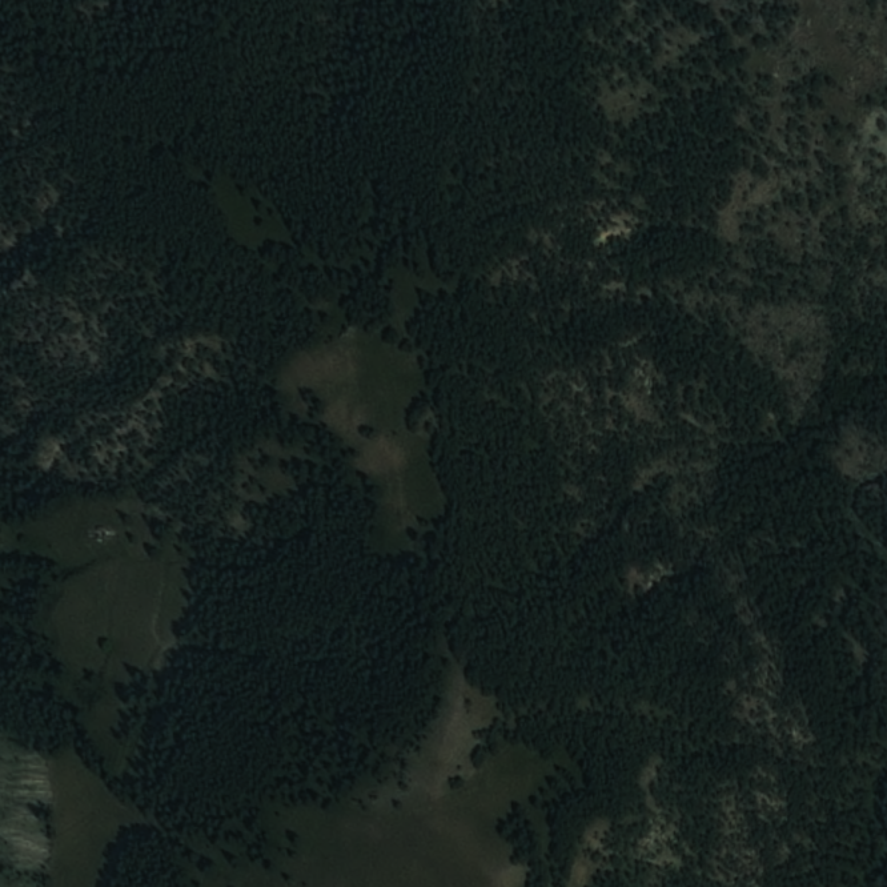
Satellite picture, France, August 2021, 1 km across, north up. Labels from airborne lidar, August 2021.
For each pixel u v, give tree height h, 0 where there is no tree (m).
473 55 16
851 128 10
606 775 32
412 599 28
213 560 23
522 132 28
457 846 0
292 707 28
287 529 29
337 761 21
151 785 25
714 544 7
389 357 0
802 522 22
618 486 20
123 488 23
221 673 34
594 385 20
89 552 0
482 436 25
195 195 29
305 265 29
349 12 35
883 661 31
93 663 0
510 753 0
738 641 8
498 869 0
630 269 19
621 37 17
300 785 10
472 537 29
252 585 29
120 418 8
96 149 33
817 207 23
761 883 26
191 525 21
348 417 0
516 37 25
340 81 27
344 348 0
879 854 26
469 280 24
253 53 26
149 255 25
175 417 34
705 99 22
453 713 0
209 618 29
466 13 12
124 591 0
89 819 0
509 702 18
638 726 22
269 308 32
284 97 31
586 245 17
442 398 29
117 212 36
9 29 21
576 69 11
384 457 0
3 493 33
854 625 25
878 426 22
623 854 17
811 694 24
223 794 32
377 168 32
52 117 27
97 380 12
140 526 0
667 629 22
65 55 22
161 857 25
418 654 28
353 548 29
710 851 17
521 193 27
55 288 21
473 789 0
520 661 27
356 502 30
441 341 26
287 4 22
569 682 24
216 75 27
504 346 29
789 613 18
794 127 10
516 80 24
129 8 26
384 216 28
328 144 32
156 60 31
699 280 14
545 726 22
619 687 24
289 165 32
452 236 24
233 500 15
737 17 19
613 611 25
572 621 18
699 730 29
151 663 0
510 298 20
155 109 35
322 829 0
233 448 23
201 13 26
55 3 25
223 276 27
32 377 20
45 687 0
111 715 0
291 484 0
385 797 0
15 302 8
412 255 26
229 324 30
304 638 22
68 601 0
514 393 26
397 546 0
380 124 35
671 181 25
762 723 6
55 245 30
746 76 16
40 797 0
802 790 26
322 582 31
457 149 28
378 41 28
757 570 20
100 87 29
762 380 26
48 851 0
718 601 18
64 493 27
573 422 9
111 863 0
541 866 25
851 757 24
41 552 0
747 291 15
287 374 0
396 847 0
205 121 31
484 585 25
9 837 0
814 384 9
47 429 24
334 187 36
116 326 15
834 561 27
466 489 30
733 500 24
